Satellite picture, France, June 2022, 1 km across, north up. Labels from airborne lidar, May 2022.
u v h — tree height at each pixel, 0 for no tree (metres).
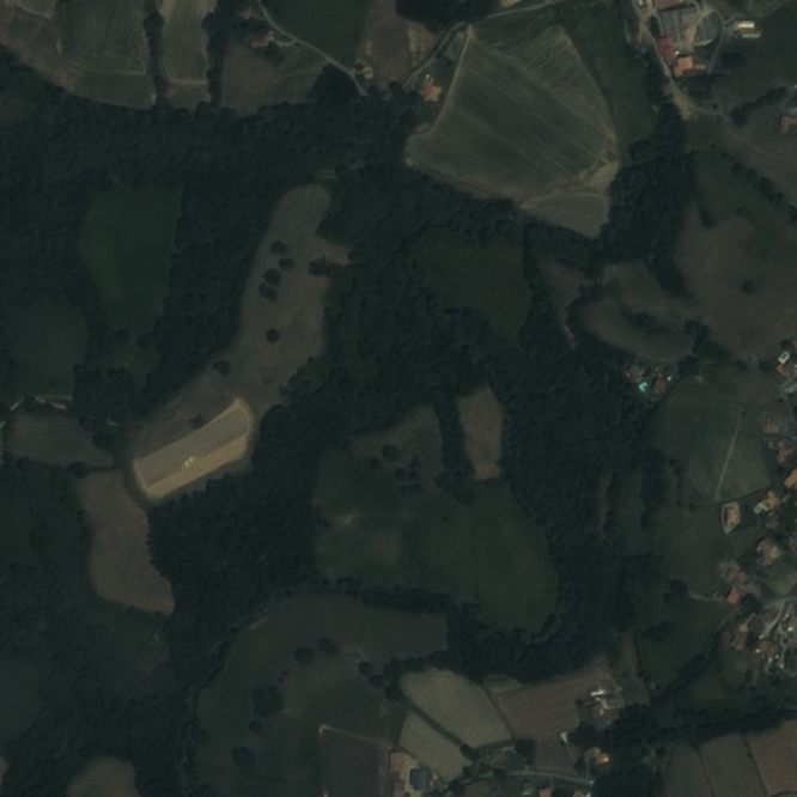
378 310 21
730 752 0
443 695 0
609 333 0
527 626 0
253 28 18
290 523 15
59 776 17
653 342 0
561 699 0
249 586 27
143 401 17
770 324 0
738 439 0
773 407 0
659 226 24
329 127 21
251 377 0
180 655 16
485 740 0
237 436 0
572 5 0
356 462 0
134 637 0
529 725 0
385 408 10
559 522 23
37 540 10
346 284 0
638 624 22
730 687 0
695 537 0
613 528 19
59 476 8
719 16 0
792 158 0
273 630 0
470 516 0
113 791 0
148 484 0
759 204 0
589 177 0
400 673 13
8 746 9
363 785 0
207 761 0
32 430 0
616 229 18
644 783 8
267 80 0
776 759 0
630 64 0
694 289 0
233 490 21
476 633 22
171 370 18
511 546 0
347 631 0
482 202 16
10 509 0
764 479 0
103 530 0
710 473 0
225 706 0
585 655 16
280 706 19
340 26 0
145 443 0
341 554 0
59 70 0
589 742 20
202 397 0
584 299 7
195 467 0
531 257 15
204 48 0
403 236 23
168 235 0
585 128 0
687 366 17
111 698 10
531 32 0
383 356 10
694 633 0
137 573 0
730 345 0
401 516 0
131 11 0
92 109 14
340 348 8
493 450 0
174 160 10
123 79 0
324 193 0
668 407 0
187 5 0
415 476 15
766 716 19
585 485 14
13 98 0
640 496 0
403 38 0
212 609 27
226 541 20
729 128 0
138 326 0
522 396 15
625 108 0
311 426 17
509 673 18
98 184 19
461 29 0
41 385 0
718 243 0
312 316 0
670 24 0
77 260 19
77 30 0
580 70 0
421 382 16
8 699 0
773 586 0
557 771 0
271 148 18
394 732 0
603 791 21
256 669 0
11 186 19
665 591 0
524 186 0
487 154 0
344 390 5
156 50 12
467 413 0
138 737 23
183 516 22
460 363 17
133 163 6
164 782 26
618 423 21
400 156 19
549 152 0
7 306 17
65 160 6
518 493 17
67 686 7
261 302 0
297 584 28
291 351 0
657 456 23
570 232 12
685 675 17
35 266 20
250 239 15
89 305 17
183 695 9
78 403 16
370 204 0
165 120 16
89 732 23
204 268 21
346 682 0
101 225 0
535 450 26
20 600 8
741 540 0
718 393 0
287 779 0
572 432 8
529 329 17
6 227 20
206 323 14
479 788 0
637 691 0
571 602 24
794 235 0
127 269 0
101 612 0
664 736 18
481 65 0
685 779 0
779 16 0
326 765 0
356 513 0
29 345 0
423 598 15
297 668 0
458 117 0
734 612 0
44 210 6
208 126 18
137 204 0
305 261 0
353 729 0
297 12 0
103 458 0
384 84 0
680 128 20
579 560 19
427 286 14
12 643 11
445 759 0
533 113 0
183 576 23
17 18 0
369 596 14
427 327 23
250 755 23
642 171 20
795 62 0
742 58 15
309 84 0
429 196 10
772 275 0
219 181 19
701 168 0
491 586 0
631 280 0
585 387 25
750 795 0
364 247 14
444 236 32
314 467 10
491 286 0
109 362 0
